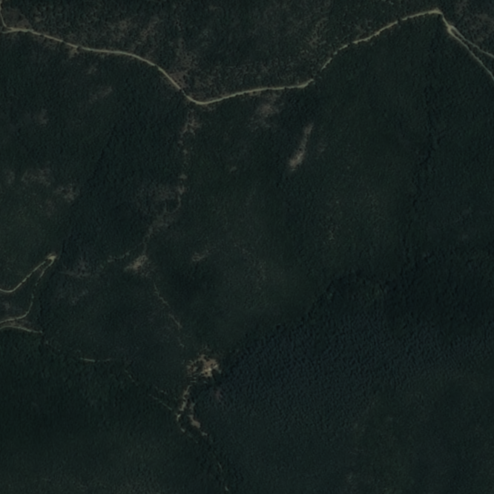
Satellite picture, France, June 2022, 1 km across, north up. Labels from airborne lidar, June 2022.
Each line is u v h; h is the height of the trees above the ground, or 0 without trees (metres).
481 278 10
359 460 6
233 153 11
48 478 7
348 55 12
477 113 9
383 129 10
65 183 8
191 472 8
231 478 7
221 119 7
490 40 7
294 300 9
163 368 7
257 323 10
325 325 14
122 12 6
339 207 9
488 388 7
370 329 12
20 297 8
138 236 7
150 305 7
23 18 9
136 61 9
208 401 10
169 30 7
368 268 8
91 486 10
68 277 8
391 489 9
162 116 8
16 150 7
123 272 7
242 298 8
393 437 9
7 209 7
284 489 9
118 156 9
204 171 8
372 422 7
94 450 8
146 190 6
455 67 9
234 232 6
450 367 11
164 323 6
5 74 11
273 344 17
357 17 9
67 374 9
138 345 7
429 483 7
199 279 10
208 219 7
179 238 6
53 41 9
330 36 9
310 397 10
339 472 8
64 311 5
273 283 7
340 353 12
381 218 8
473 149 11
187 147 6
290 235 13
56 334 12
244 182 8
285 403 11
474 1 6
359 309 10
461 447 8
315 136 6
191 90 9
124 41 8
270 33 6
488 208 7
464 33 7
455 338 8
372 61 9
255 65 10
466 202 6
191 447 6
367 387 13
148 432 10
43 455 8
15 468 7
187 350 7
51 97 12
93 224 7
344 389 14
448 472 6
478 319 12
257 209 7
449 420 7
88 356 7
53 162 8
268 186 10
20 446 9
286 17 8
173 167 9
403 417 6
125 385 7
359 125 8
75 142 10
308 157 5
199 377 6
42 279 7
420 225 11
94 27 8
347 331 6
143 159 7
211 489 7
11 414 10
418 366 11
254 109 7
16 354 11
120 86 10
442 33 10
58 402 12
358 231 7
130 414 9
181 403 9
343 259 7
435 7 9
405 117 12
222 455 11
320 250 8
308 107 13
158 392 14
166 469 7
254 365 16
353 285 13
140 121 8
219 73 7
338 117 10
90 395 6
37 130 9
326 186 6
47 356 9
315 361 15
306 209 5
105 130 9
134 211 9
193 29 10
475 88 10
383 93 10
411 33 7
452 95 12
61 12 9
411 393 6
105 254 6
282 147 8
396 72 9
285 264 7
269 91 13
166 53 9
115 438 9
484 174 6
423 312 11
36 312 13
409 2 6
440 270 14
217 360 7
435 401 9
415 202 14
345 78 9
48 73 9
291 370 13
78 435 7
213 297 6
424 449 6
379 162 8
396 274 13
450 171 9
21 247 9
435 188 9
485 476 7
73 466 6
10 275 6
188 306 9
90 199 7
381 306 16
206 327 8
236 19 9
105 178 9
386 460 8
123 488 8
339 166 5
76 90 6
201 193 6
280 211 11
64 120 9
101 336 8
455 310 12
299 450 6
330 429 11
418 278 15
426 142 6
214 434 10
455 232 9
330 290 17
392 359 13
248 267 8
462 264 12
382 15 13
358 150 6
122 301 6
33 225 7
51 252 10
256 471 11
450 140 9
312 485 8
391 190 12
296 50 11
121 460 7
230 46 9
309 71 7
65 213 12
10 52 11
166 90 8
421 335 14
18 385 12
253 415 11
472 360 5
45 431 7
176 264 9
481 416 9
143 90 12
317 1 8
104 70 10
